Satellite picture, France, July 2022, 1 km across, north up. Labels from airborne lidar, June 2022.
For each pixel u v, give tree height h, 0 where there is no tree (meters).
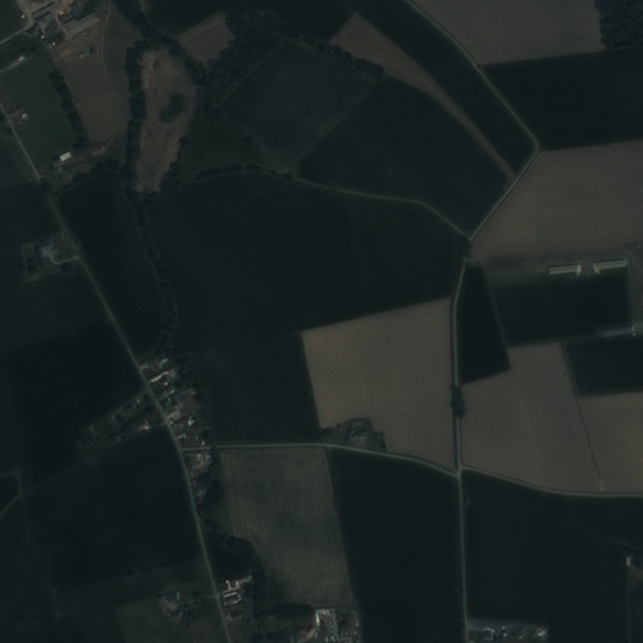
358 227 0
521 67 0
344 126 0
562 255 0
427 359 0
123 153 0
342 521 0
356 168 0
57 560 0
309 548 0
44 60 0
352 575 0
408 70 0
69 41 0
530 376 0
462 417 11
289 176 10
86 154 0
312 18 0
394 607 0
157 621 0
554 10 0
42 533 0
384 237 0
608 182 0
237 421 0
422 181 0
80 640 0
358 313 0
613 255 0
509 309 0
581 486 0
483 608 0
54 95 0
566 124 0
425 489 0
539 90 0
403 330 0
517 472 0
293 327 0
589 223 0
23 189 0
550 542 0
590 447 0
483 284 0
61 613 0
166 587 0
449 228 0
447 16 0
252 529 0
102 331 0
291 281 0
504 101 0
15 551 0
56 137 0
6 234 0
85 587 0
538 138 0
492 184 0
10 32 0
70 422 0
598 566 0
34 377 0
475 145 0
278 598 0
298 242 0
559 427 0
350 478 0
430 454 0
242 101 0
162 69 0
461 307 0
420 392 0
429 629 0
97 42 0
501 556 0
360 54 0
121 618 0
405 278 0
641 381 0
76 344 0
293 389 0
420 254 0
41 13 0
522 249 0
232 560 0
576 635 0
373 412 0
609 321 0
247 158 0
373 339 0
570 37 0
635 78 0
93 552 0
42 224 0
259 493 0
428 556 0
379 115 0
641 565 14
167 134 0
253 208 0
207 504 17
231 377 0
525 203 0
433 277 0
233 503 0
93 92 0
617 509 0
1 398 0
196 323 0
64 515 0
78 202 0
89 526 0
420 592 0
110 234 0
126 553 0
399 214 0
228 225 0
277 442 0
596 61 0
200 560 0
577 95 0
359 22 0
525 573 0
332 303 0
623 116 0
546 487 0
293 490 0
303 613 14
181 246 0
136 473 0
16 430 0
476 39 0
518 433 0
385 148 0
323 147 0
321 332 0
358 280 0
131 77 17
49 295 0
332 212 0
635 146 0
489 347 0
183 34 0
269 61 0
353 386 0
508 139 0
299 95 0
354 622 0
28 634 0
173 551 0
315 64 0
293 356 0
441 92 0
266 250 0
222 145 0
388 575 0
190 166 0
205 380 0
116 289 0
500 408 0
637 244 0
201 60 0
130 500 0
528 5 0
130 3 26
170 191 23
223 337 0
